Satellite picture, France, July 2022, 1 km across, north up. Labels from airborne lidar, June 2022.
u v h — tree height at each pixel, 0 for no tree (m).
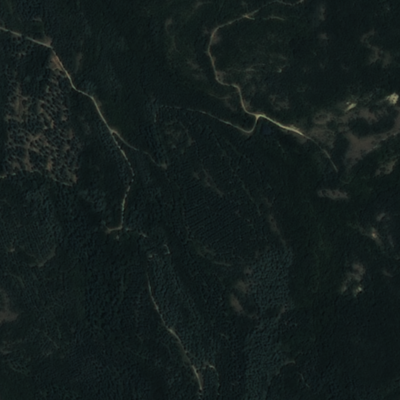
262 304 16
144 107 20
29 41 11
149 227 18
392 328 13
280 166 9
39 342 10
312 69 6
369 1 12
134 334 12
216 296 21
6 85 14
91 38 13
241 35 7
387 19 11
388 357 9
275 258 11
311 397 17
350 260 8
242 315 8
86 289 16
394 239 7
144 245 18
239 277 10
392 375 7
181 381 14
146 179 14
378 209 9
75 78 8
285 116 6
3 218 12
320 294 18
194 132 14
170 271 14
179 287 15
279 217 13
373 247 10
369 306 13
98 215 12
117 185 9
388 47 8
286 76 8
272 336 17
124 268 16
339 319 18
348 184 7
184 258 17
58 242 11
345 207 10
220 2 8
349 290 8
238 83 10
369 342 9
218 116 13
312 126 7
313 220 15
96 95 10
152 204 15
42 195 21
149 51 14
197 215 13
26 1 15
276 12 6
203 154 9
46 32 10
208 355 14
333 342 13
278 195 12
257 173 15
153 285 10
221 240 12
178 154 14
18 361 19
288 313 14
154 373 9
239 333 12
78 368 17
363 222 10
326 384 16
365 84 7
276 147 11
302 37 12
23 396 10
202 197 15
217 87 11
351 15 11
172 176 12
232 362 22
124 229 11
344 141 8
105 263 25
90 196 12
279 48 6
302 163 15
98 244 22
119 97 13
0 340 8
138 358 17
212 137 18
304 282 9
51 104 25
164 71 21
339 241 13
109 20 13
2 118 13
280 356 18
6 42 11
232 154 14
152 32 18
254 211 14
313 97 10
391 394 7
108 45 19
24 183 15
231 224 12
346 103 0
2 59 10
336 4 9
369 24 8
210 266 11
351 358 9
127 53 14
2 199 13
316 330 14
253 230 11
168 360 16
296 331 20
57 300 15
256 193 12
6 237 13
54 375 13
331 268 15
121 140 7
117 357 22
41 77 27
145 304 14
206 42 8
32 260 8
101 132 14
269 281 13
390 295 11
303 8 11
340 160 6
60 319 12
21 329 8
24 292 14
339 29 7
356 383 16
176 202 16
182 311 14
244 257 12
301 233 12
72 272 9
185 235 16
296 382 14
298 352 13
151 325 13
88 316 16
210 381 17
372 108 8
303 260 15
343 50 8
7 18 9
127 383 15
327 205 11
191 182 13
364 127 10
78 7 13
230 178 15
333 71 7
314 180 11
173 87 16
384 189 13
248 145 17
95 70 19
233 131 18
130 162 9
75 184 16
